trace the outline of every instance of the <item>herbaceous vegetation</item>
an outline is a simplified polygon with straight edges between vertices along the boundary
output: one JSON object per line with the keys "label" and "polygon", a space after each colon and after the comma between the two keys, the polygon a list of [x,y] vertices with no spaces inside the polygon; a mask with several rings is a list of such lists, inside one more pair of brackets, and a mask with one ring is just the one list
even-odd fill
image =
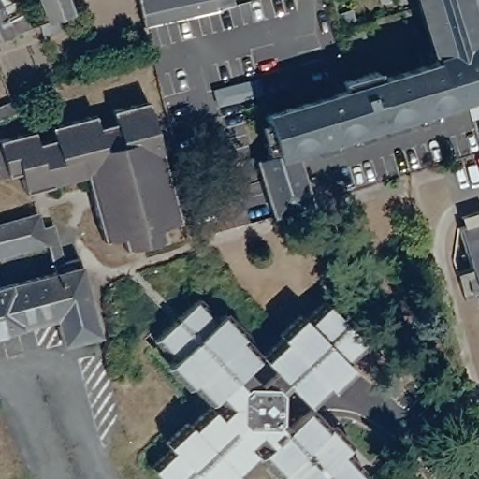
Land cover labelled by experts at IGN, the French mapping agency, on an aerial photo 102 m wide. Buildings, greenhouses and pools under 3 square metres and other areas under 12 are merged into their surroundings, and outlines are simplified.
{"label": "herbaceous vegetation", "polygon": [[472,361],[479,378],[479,301],[462,301],[460,298],[458,305],[462,312],[462,322],[468,333]]}
{"label": "herbaceous vegetation", "polygon": [[36,479],[32,473],[24,472],[21,458],[11,442],[4,415],[0,415],[0,479]]}
{"label": "herbaceous vegetation", "polygon": [[30,135],[30,131],[17,120],[0,125],[0,140],[26,137]]}
{"label": "herbaceous vegetation", "polygon": [[357,359],[359,370],[365,370],[376,382],[389,387],[391,380],[389,369],[380,359],[380,354],[365,354]]}
{"label": "herbaceous vegetation", "polygon": [[408,219],[414,217],[415,211],[419,210],[428,221],[428,230],[432,232],[445,208],[453,206],[457,210],[457,204],[451,200],[451,191],[460,185],[457,172],[432,172],[427,168],[423,174],[412,176],[412,198],[391,198],[382,210],[376,204],[369,204],[365,208],[369,219],[367,226],[374,232],[372,245],[378,245],[384,243],[391,234],[391,223],[385,215],[385,210],[399,213]]}
{"label": "herbaceous vegetation", "polygon": [[346,11],[346,7],[339,9],[341,19],[348,21],[356,21],[357,13],[365,9],[402,7],[408,2],[408,0],[352,0],[350,11]]}
{"label": "herbaceous vegetation", "polygon": [[408,326],[400,327],[397,331],[397,344],[400,359],[415,356],[419,350],[432,350],[436,346],[434,341],[421,341],[419,337],[423,331],[434,327],[432,309],[423,309],[417,305],[410,309],[412,316],[404,316]]}
{"label": "herbaceous vegetation", "polygon": [[90,208],[82,213],[79,225],[73,228],[77,236],[75,241],[80,239],[86,245],[86,249],[94,254],[103,266],[109,268],[125,266],[129,253],[123,251],[122,245],[105,243],[105,234],[95,210],[94,195],[88,195]]}
{"label": "herbaceous vegetation", "polygon": [[193,238],[189,234],[195,223],[191,211],[183,210],[185,228],[180,239],[170,245],[165,243],[161,247],[155,247],[150,243],[148,251],[144,253],[146,256],[153,256],[191,243]]}
{"label": "herbaceous vegetation", "polygon": [[54,86],[56,94],[67,101],[64,120],[52,125],[51,131],[41,133],[43,142],[49,144],[56,140],[56,133],[60,133],[62,125],[84,122],[90,118],[101,118],[103,127],[107,129],[116,125],[118,110],[133,109],[146,103],[152,107],[155,114],[163,114],[159,105],[157,84],[153,79],[153,67],[150,65],[125,75],[112,75],[107,79],[95,80],[90,84],[71,82]]}
{"label": "herbaceous vegetation", "polygon": [[114,402],[114,415],[118,421],[110,430],[109,453],[120,479],[161,479],[161,472],[153,470],[148,464],[146,449],[150,438],[157,434],[157,430],[163,434],[165,440],[168,440],[172,440],[174,432],[180,428],[181,421],[189,412],[180,400],[172,395],[172,387],[159,370],[153,369],[152,372],[148,372],[146,376],[142,376],[140,382],[110,382],[110,400]]}
{"label": "herbaceous vegetation", "polygon": [[73,213],[73,204],[65,202],[60,206],[52,206],[47,217],[52,219],[56,226],[71,228],[69,219]]}
{"label": "herbaceous vegetation", "polygon": [[254,161],[260,163],[271,161],[266,138],[269,116],[268,103],[262,103],[254,109],[256,138],[249,148],[251,159]]}
{"label": "herbaceous vegetation", "polygon": [[421,376],[427,382],[442,378],[447,365],[440,350],[436,354],[438,363],[425,365]]}
{"label": "herbaceous vegetation", "polygon": [[26,196],[28,195],[21,189],[19,176],[9,176],[6,180],[0,180],[0,225],[34,215],[37,211],[34,204],[30,204]]}
{"label": "herbaceous vegetation", "polygon": [[247,230],[245,236],[234,241],[226,241],[217,247],[241,286],[253,296],[254,301],[266,307],[266,322],[273,329],[279,331],[286,324],[296,324],[301,329],[307,324],[318,324],[327,312],[331,311],[333,299],[339,292],[335,290],[333,281],[327,277],[327,268],[337,260],[337,256],[322,254],[314,258],[288,253],[288,249],[283,245],[283,238],[275,230],[271,230],[264,238],[260,238],[254,230]]}

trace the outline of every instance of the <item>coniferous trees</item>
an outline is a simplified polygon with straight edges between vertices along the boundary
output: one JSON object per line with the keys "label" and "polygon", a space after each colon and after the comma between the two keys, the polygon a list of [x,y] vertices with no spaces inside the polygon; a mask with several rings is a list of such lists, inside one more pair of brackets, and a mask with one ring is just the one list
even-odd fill
{"label": "coniferous trees", "polygon": [[421,341],[434,341],[436,346],[440,350],[447,365],[455,370],[462,367],[460,350],[453,333],[453,309],[445,307],[449,322],[442,327],[434,327],[423,331],[419,337]]}
{"label": "coniferous trees", "polygon": [[391,402],[402,399],[406,391],[414,391],[417,389],[417,382],[410,374],[391,380],[389,387],[376,382],[370,385],[370,397],[380,397]]}
{"label": "coniferous trees", "polygon": [[400,327],[408,326],[404,316],[412,316],[410,309],[417,305],[415,301],[419,294],[425,298],[432,296],[432,288],[427,284],[427,275],[430,271],[436,273],[438,268],[432,256],[432,232],[428,230],[428,221],[419,210],[415,211],[414,217],[408,219],[399,213],[385,210],[385,215],[391,223],[391,234],[404,236],[402,251],[406,251],[408,256],[415,256],[412,260],[414,264],[408,269],[408,275],[402,279],[402,283],[393,286],[389,284],[389,275],[395,271],[387,266],[385,260],[376,258],[378,245],[372,245],[374,232],[367,226],[369,219],[365,208],[356,200],[354,204],[346,204],[346,208],[339,210],[339,213],[322,213],[318,219],[311,221],[311,234],[307,238],[283,238],[283,245],[288,249],[288,253],[314,258],[322,254],[337,256],[337,260],[327,268],[327,277],[333,281],[335,290],[339,292],[333,299],[331,311],[342,316],[344,326],[356,331],[357,337],[365,346],[365,354],[380,354],[385,354],[387,346],[397,344],[397,331]]}
{"label": "coniferous trees", "polygon": [[415,460],[417,475],[421,479],[479,479],[479,406],[468,408],[468,397],[464,395],[455,399],[455,402],[443,404],[438,410],[438,414],[434,415],[434,421],[423,427],[423,438],[414,440],[414,445],[421,455]]}

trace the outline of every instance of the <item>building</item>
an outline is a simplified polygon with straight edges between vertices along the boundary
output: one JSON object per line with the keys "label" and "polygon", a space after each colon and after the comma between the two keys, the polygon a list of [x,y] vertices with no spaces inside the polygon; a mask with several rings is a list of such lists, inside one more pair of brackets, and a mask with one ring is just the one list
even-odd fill
{"label": "building", "polygon": [[56,239],[54,226],[45,226],[47,217],[39,215],[37,211],[34,215],[0,225],[0,264],[39,253],[51,254],[51,260],[58,260],[64,256],[64,245]]}
{"label": "building", "polygon": [[361,140],[369,137],[389,138],[393,129],[400,131],[414,125],[419,127],[425,120],[440,122],[442,118],[468,118],[472,114],[472,120],[479,120],[479,0],[423,0],[421,7],[427,19],[434,51],[438,56],[434,67],[404,73],[400,77],[387,77],[376,73],[363,79],[350,80],[346,82],[344,94],[269,116],[266,138],[271,161],[260,163],[260,172],[268,189],[271,210],[275,219],[281,221],[286,206],[298,204],[305,187],[309,189],[309,193],[314,193],[314,181],[309,178],[307,167],[301,163],[301,159],[333,157],[333,153],[339,148],[350,150],[352,146],[359,146]]}
{"label": "building", "polygon": [[11,0],[0,0],[0,41],[9,41],[17,34],[28,32],[32,26],[19,15],[19,11],[15,9],[17,4]]}
{"label": "building", "polygon": [[0,288],[0,342],[7,339],[15,341],[28,333],[34,333],[34,339],[37,341],[45,326],[54,327],[60,324],[64,337],[62,346],[69,352],[82,350],[86,344],[101,344],[105,341],[103,327],[99,326],[97,320],[94,296],[88,283],[88,269],[84,266],[67,273],[39,277],[26,283]]}
{"label": "building", "polygon": [[45,24],[60,28],[67,22],[77,19],[77,11],[73,0],[39,0],[45,9]]}
{"label": "building", "polygon": [[217,90],[219,107],[243,103],[253,97],[251,84],[243,82]]}
{"label": "building", "polygon": [[142,7],[146,9],[144,28],[148,24],[178,21],[191,15],[219,9],[219,0],[142,0]]}
{"label": "building", "polygon": [[331,393],[341,393],[346,385],[356,380],[359,370],[357,359],[365,354],[365,346],[357,337],[356,331],[344,326],[342,316],[331,311],[327,312],[318,324],[307,324],[301,329],[290,341],[284,354],[275,361],[262,361],[251,350],[245,335],[241,335],[238,327],[232,322],[223,322],[217,316],[211,318],[210,312],[204,307],[196,307],[195,311],[191,312],[180,326],[174,327],[163,341],[153,344],[153,348],[165,357],[172,367],[178,367],[178,374],[187,380],[191,391],[200,393],[213,404],[208,414],[202,414],[196,419],[195,425],[183,425],[183,428],[180,428],[174,432],[172,440],[168,440],[167,447],[176,453],[176,457],[161,472],[161,479],[365,479],[363,473],[367,472],[367,464],[361,464],[359,458],[352,457],[352,449],[350,447],[342,442],[339,434],[331,434],[318,421],[318,408]]}
{"label": "building", "polygon": [[462,301],[479,301],[479,215],[466,217],[466,226],[460,228],[458,245],[462,243],[466,247],[466,253],[472,262],[470,273],[457,275],[460,298]]}
{"label": "building", "polygon": [[0,107],[0,125],[17,120],[17,107]]}
{"label": "building", "polygon": [[133,109],[118,110],[116,125],[107,129],[103,127],[101,118],[90,118],[84,122],[62,125],[60,133],[56,133],[56,140],[49,144],[43,142],[41,133],[30,131],[30,135],[26,137],[0,140],[0,180],[6,180],[9,176],[19,176],[21,189],[28,195],[56,191],[58,187],[64,193],[80,189],[88,195],[94,195],[95,210],[105,234],[105,243],[122,245],[123,251],[129,253],[144,253],[148,251],[150,243],[155,247],[161,247],[165,243],[170,245],[180,239],[185,228],[183,210],[178,191],[172,185],[172,172],[168,167],[167,148],[163,138],[163,114],[155,114],[152,107],[146,103]]}

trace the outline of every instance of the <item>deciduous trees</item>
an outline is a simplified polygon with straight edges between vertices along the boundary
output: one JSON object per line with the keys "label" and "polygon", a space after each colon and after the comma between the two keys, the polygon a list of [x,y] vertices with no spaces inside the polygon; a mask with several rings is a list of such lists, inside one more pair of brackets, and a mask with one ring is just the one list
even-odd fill
{"label": "deciduous trees", "polygon": [[477,384],[470,378],[466,382],[460,380],[460,376],[466,372],[462,367],[455,370],[447,365],[442,378],[427,382],[421,376],[425,365],[438,363],[436,354],[440,350],[436,346],[432,350],[419,350],[415,356],[400,359],[397,344],[387,346],[385,354],[380,354],[380,359],[389,369],[391,380],[410,374],[417,382],[417,389],[414,391],[423,397],[423,406],[434,406],[434,410],[438,410],[443,404],[455,402],[455,399],[464,395],[468,391],[475,391]]}
{"label": "deciduous trees", "polygon": [[64,32],[67,39],[95,39],[99,26],[95,26],[94,13],[90,11],[90,7],[84,11],[77,11],[77,19],[67,22],[69,28],[65,28]]}
{"label": "deciduous trees", "polygon": [[432,309],[434,327],[442,327],[449,322],[445,307],[453,309],[453,299],[443,290],[442,269],[438,268],[436,273],[430,271],[427,275],[427,284],[432,288],[432,296],[425,298],[419,294],[415,301],[417,305],[423,309]]}
{"label": "deciduous trees", "polygon": [[460,163],[457,159],[451,159],[447,165],[442,165],[442,161],[432,159],[430,165],[425,165],[427,168],[432,172],[457,172],[460,170]]}
{"label": "deciduous trees", "polygon": [[421,455],[414,445],[414,440],[410,436],[402,438],[404,447],[408,449],[406,455],[402,455],[400,451],[380,449],[376,464],[382,468],[382,472],[378,477],[367,479],[421,479],[417,475],[415,460]]}
{"label": "deciduous trees", "polygon": [[378,245],[376,258],[385,260],[387,266],[395,271],[389,275],[389,284],[393,286],[402,283],[402,279],[408,275],[408,269],[414,264],[412,260],[415,256],[408,256],[406,251],[402,251],[404,236],[391,234],[384,243]]}
{"label": "deciduous trees", "polygon": [[241,208],[249,210],[249,206],[253,204],[256,180],[254,161],[251,159],[236,159],[238,152],[225,133],[198,131],[181,142],[180,157],[176,163],[176,170],[172,172],[172,185],[178,191],[183,210],[191,211],[195,223],[189,234],[193,238],[191,243],[191,251],[196,254],[196,258],[185,260],[185,283],[180,286],[180,294],[208,294],[213,286],[219,286],[219,290],[225,294],[234,294],[241,286],[217,247],[210,243],[213,234],[234,228],[232,223],[236,221],[236,211]]}
{"label": "deciduous trees", "polygon": [[11,0],[17,4],[15,9],[19,11],[19,15],[32,26],[45,24],[45,9],[39,0]]}
{"label": "deciduous trees", "polygon": [[339,9],[346,7],[346,11],[350,11],[352,0],[324,0],[329,17],[333,21],[333,26],[329,30],[333,36],[337,36],[341,51],[350,51],[356,39],[374,36],[384,24],[412,17],[408,2],[402,7],[365,9],[357,13],[356,21],[348,21],[341,19]]}
{"label": "deciduous trees", "polygon": [[64,120],[67,101],[56,94],[54,86],[71,82],[90,84],[95,80],[107,79],[112,75],[125,75],[150,65],[161,58],[161,51],[153,47],[153,43],[144,43],[138,49],[110,49],[109,52],[97,54],[95,58],[82,56],[79,62],[71,64],[67,52],[62,51],[62,43],[54,43],[51,39],[49,43],[41,43],[41,52],[47,58],[43,65],[49,67],[51,84],[39,84],[36,88],[19,95],[17,107],[17,120],[30,131],[41,133],[51,131],[52,125]]}

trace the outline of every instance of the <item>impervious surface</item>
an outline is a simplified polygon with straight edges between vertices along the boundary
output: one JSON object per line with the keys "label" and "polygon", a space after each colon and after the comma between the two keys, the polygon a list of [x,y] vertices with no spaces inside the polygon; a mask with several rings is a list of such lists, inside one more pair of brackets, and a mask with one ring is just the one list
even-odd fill
{"label": "impervious surface", "polygon": [[30,204],[34,204],[37,211],[39,215],[47,217],[52,206],[60,206],[65,202],[73,204],[73,213],[69,219],[71,228],[56,226],[52,219],[47,217],[45,226],[54,226],[56,239],[64,245],[64,256],[58,260],[51,260],[51,254],[39,253],[0,264],[0,288],[26,283],[39,277],[67,273],[84,266],[88,269],[88,283],[94,296],[97,320],[99,326],[103,327],[99,294],[107,279],[129,275],[135,283],[140,284],[140,288],[153,303],[161,305],[165,299],[161,298],[159,292],[153,290],[152,284],[138,273],[138,268],[167,260],[174,254],[191,251],[191,243],[153,256],[146,256],[144,253],[129,253],[125,266],[109,268],[103,266],[94,254],[86,249],[86,245],[80,239],[75,241],[77,236],[73,228],[79,225],[82,213],[90,208],[88,195],[80,189],[64,193],[58,187],[56,191],[28,195],[26,196]]}
{"label": "impervious surface", "polygon": [[11,442],[21,458],[24,472],[32,473],[36,479],[120,479],[109,453],[110,430],[118,421],[114,415],[114,402],[110,400],[110,382],[101,363],[101,344],[86,344],[82,350],[69,352],[62,346],[64,337],[60,324],[54,327],[45,326],[37,341],[34,339],[34,333],[28,333],[15,341],[7,339],[0,342],[0,415],[4,415]]}
{"label": "impervious surface", "polygon": [[[144,43],[153,43],[153,47],[161,51],[161,58],[150,65],[153,67],[153,79],[157,84],[159,105],[163,114],[163,138],[167,148],[168,167],[172,172],[176,170],[176,163],[180,157],[181,142],[198,131],[225,133],[238,152],[236,159],[251,159],[249,148],[256,138],[254,109],[262,103],[268,103],[269,116],[344,94],[346,82],[350,80],[363,79],[376,73],[387,77],[400,77],[404,73],[434,67],[438,56],[434,51],[427,19],[421,7],[423,0],[408,0],[408,2],[412,17],[384,24],[374,36],[356,39],[350,51],[341,51],[337,36],[333,36],[329,30],[333,26],[333,21],[329,17],[324,0],[219,0],[219,9],[191,15],[178,21],[148,24],[144,28],[146,9],[142,7],[142,0],[73,0],[77,11],[84,11],[90,7],[90,11],[94,13],[95,26],[99,26],[95,39],[67,39],[64,32],[65,28],[69,28],[67,22],[60,28],[45,24],[32,26],[28,32],[17,34],[9,41],[0,41],[0,107],[17,107],[19,95],[36,88],[39,84],[51,84],[49,67],[43,65],[47,58],[41,52],[41,43],[49,43],[51,39],[54,43],[62,43],[62,51],[67,52],[71,64],[79,62],[82,56],[95,58],[97,54],[109,52],[110,49],[138,49]],[[243,82],[251,84],[253,97],[243,103],[219,107],[217,90]]]}
{"label": "impervious surface", "polygon": [[404,447],[402,438],[410,436],[414,440],[423,438],[423,427],[434,421],[434,415],[438,414],[438,410],[434,410],[434,406],[423,406],[423,397],[414,391],[406,391],[402,399],[391,402],[380,397],[370,397],[370,385],[376,382],[365,370],[359,370],[356,380],[346,385],[341,393],[331,393],[318,408],[318,421],[331,434],[339,434],[342,442],[350,447],[352,442],[348,440],[344,425],[357,425],[359,421],[365,423],[369,427],[369,453],[365,455],[359,449],[352,449],[352,457],[359,458],[361,464],[367,464],[367,472],[363,473],[365,479],[367,479],[378,477],[382,472],[382,468],[376,464],[380,449],[400,451],[402,455],[406,455],[408,449]]}
{"label": "impervious surface", "polygon": [[346,208],[346,204],[354,204],[356,200],[365,208],[369,204],[376,204],[382,210],[391,198],[412,198],[412,176],[423,174],[427,168],[425,165],[430,165],[432,159],[442,161],[442,165],[447,165],[451,159],[457,159],[460,163],[460,170],[457,172],[460,185],[451,191],[451,200],[457,204],[457,210],[453,206],[445,208],[432,232],[432,256],[438,268],[442,269],[443,290],[453,299],[453,309],[453,333],[460,350],[462,367],[466,372],[460,376],[460,380],[466,382],[470,378],[477,384],[475,391],[468,391],[464,395],[468,397],[468,408],[479,406],[479,378],[472,361],[468,333],[462,322],[462,312],[458,305],[460,298],[457,275],[470,273],[472,262],[466,253],[466,247],[462,243],[458,245],[460,228],[466,226],[466,217],[479,215],[479,120],[472,120],[472,114],[468,118],[442,118],[440,122],[425,120],[419,127],[414,125],[400,131],[393,129],[389,138],[369,137],[361,140],[359,146],[352,146],[350,150],[339,148],[333,153],[333,157],[301,159],[301,163],[307,167],[309,178],[314,181],[314,193],[309,193],[309,189],[305,187],[298,204],[286,206],[281,221],[275,219],[271,210],[268,189],[260,172],[260,163],[254,161],[256,180],[253,204],[249,206],[249,210],[241,208],[236,211],[236,221],[232,223],[234,228],[213,234],[210,243],[217,247],[226,241],[234,241],[245,236],[247,230],[254,230],[260,238],[264,238],[271,230],[275,230],[283,238],[307,238],[311,234],[311,221],[318,219],[322,213],[339,213],[339,210]]}

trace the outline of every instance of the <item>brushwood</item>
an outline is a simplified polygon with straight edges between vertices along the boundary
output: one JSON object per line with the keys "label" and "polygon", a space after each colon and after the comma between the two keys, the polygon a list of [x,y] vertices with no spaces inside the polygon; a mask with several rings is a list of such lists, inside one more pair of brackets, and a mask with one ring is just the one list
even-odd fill
{"label": "brushwood", "polygon": [[352,442],[350,447],[352,449],[359,449],[365,455],[369,453],[369,427],[365,423],[359,421],[357,425],[344,425],[348,440]]}
{"label": "brushwood", "polygon": [[146,449],[148,464],[153,470],[161,472],[176,457],[176,453],[167,447],[168,440],[165,440],[163,434],[157,430],[157,434],[150,438]]}
{"label": "brushwood", "polygon": [[165,299],[161,305],[153,303],[140,288],[140,284],[135,283],[129,275],[107,279],[99,294],[103,327],[105,341],[101,344],[101,363],[110,382],[140,382],[142,376],[146,376],[148,372],[152,372],[153,369],[159,370],[172,387],[172,395],[180,400],[189,412],[181,421],[180,428],[183,428],[183,425],[195,425],[196,419],[202,414],[208,414],[213,404],[200,393],[191,391],[187,380],[178,374],[178,367],[172,367],[165,357],[153,348],[153,344],[163,341],[174,327],[180,326],[191,312],[195,311],[196,307],[204,307],[210,312],[211,318],[217,316],[223,322],[232,322],[238,327],[241,335],[245,335],[251,350],[262,361],[275,361],[284,354],[290,341],[301,329],[296,324],[286,324],[279,331],[273,329],[266,322],[266,307],[254,301],[253,296],[241,286],[234,294],[225,294],[219,290],[219,286],[213,286],[208,294],[180,294],[180,286],[185,283],[185,260],[196,258],[196,254],[191,251],[174,254],[167,260],[138,268],[138,273],[152,284],[153,290],[159,292],[161,298]]}

